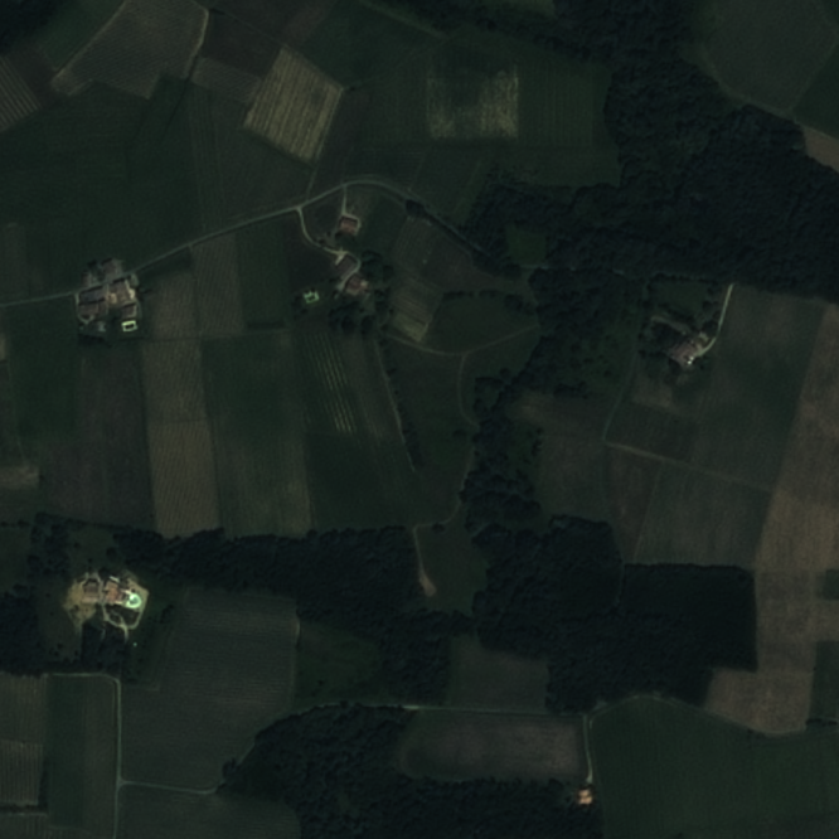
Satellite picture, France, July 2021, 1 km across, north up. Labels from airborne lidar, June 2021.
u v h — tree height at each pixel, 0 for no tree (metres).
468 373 0
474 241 14
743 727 0
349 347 0
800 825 0
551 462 0
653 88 12
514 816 14
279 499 0
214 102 0
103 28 0
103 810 0
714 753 0
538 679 0
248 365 0
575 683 15
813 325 0
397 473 0
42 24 14
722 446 0
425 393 0
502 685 0
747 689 0
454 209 0
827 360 0
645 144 8
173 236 0
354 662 0
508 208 21
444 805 20
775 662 0
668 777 0
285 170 0
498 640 16
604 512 0
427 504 0
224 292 0
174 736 0
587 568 15
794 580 0
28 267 0
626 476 0
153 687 0
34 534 6
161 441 0
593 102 0
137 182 0
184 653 0
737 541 0
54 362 0
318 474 0
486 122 0
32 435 0
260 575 19
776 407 0
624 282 8
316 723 7
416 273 0
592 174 0
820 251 16
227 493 0
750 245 12
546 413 0
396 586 21
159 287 0
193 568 16
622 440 0
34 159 0
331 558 18
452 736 0
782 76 0
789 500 0
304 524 0
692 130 26
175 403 0
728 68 0
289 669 0
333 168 0
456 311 0
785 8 0
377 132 0
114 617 7
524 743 0
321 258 0
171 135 0
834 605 0
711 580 14
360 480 0
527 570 25
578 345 7
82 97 0
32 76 0
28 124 0
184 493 0
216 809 0
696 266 15
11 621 22
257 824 0
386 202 0
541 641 22
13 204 0
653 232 12
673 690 16
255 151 0
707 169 18
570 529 16
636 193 19
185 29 0
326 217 0
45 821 0
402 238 0
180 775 0
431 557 0
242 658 0
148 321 0
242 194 0
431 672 23
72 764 0
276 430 0
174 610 9
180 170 0
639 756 0
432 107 0
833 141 0
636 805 0
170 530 0
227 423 0
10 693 0
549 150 0
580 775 0
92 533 0
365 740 17
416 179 0
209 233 0
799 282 21
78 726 0
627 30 31
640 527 0
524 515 20
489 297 6
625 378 0
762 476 0
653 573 14
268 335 0
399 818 23
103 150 0
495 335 0
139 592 0
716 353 0
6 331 0
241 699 0
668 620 24
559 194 6
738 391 0
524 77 0
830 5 0
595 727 0
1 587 0
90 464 0
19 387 0
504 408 13
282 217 0
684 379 0
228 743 0
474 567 0
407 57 0
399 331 0
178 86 0
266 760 20
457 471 0
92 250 0
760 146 18
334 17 0
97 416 0
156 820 0
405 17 0
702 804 0
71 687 0
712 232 20
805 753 0
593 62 12
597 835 15
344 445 0
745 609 16
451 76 0
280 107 0
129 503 0
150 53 0
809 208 22
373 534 8
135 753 0
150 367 0
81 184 0
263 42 0
